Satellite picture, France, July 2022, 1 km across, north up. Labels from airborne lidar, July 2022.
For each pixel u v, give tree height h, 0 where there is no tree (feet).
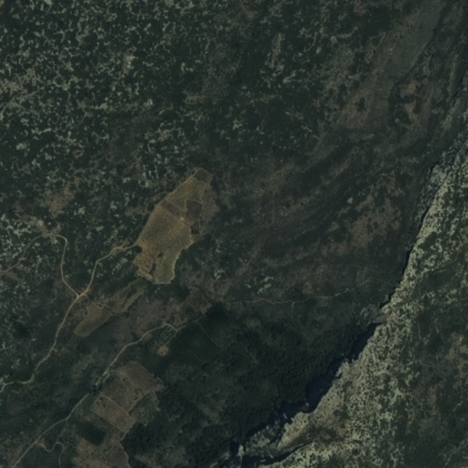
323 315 0
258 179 0
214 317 30
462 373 0
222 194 0
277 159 0
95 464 0
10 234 0
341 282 0
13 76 0
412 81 0
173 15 0
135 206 0
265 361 28
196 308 0
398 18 0
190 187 0
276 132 0
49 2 0
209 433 22
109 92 0
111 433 0
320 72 0
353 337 33
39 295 0
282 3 0
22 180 0
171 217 0
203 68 0
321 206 0
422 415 20
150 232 0
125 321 0
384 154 0
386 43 0
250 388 30
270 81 0
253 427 27
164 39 0
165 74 0
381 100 0
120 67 0
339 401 0
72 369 0
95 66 0
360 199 0
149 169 0
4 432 0
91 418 0
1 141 0
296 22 0
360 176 0
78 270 0
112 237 0
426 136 0
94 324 0
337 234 0
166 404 26
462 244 0
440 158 0
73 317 0
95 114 0
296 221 0
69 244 0
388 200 0
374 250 0
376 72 0
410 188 0
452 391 0
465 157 0
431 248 0
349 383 0
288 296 0
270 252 0
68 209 0
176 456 0
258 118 0
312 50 0
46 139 0
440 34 0
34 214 0
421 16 0
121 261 0
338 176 0
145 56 0
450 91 0
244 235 0
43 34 0
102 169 0
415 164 0
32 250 0
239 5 0
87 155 0
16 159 0
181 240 0
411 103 0
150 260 0
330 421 0
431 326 0
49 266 0
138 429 19
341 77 0
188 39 0
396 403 0
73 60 0
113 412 0
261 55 0
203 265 0
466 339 0
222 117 0
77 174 0
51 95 0
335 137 0
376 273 0
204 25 0
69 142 0
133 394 0
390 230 0
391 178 0
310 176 0
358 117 0
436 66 0
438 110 0
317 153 0
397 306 0
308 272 0
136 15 0
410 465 0
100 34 0
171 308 0
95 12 0
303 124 0
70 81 0
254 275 0
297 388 32
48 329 0
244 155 0
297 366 32
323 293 0
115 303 0
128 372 0
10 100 0
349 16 0
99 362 0
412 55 0
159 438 23
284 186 0
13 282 0
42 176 0
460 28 0
